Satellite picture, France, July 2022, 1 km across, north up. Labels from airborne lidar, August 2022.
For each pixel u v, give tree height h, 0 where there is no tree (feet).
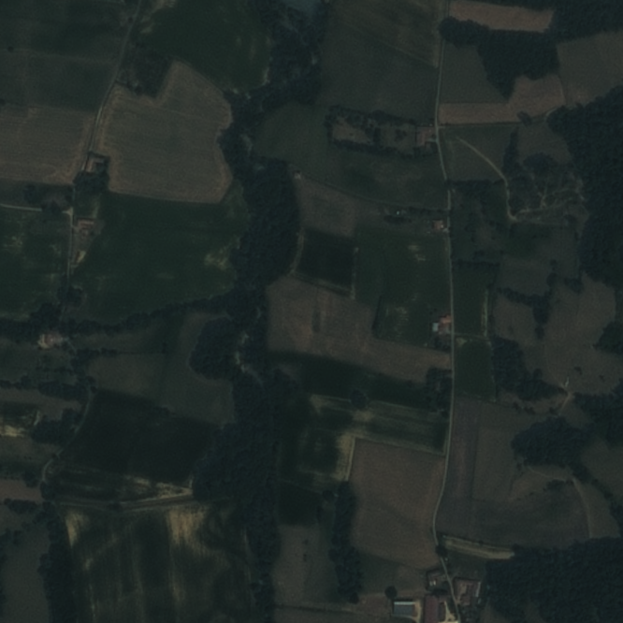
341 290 0
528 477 0
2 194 0
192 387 0
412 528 0
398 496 0
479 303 0
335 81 0
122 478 0
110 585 0
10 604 0
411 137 0
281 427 58
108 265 0
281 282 0
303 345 0
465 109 0
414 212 29
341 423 0
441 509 0
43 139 0
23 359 0
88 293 0
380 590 0
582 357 0
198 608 0
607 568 87
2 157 0
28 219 0
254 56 0
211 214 0
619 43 0
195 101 0
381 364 0
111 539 0
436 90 0
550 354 0
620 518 53
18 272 0
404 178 0
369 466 0
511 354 68
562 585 79
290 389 73
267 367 78
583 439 76
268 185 84
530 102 0
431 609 0
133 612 0
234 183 0
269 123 0
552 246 0
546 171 67
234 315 72
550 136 0
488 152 0
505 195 0
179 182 0
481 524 0
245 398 62
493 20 0
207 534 0
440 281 0
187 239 0
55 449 0
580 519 0
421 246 0
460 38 69
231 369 51
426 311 0
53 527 52
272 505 68
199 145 0
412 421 0
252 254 70
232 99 65
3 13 0
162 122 0
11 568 0
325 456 0
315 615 0
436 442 0
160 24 0
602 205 76
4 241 0
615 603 62
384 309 0
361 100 0
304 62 63
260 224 74
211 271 0
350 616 0
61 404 0
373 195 0
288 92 74
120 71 0
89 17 0
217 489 74
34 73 0
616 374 0
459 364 0
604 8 66
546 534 0
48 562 57
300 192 0
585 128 65
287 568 0
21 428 0
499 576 78
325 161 0
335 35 0
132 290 0
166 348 40
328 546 0
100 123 0
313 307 0
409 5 0
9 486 0
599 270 62
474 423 0
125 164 0
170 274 0
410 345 0
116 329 47
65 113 0
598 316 0
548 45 54
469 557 0
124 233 0
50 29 0
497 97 0
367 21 0
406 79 0
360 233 0
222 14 0
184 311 59
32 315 32
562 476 0
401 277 0
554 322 0
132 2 35
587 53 0
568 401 0
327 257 0
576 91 0
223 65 0
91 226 0
